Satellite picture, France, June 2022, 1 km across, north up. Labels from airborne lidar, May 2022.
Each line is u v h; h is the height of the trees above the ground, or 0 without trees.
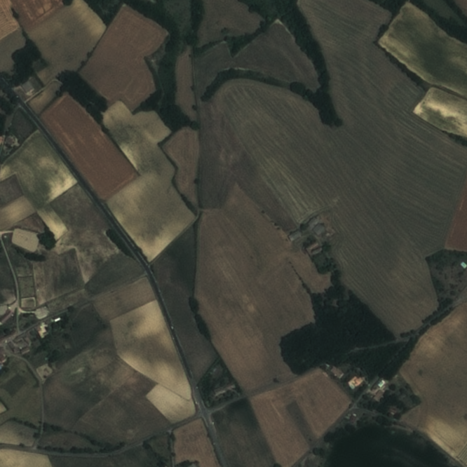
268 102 0
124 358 0
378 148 0
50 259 0
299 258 0
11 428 0
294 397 0
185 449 0
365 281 0
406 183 0
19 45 0
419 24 0
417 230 0
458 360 0
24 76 14
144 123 0
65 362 0
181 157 0
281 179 0
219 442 0
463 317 0
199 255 0
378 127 0
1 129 11
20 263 0
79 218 0
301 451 0
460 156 0
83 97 19
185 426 0
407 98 0
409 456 0
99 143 0
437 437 0
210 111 0
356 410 0
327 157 0
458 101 0
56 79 0
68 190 0
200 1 14
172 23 12
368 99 0
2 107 13
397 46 0
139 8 11
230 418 0
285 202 0
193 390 0
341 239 0
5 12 0
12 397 0
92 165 0
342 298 12
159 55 0
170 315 0
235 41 13
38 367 0
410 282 0
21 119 0
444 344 0
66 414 0
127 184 0
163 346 0
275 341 0
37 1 0
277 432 0
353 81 0
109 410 0
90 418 0
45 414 0
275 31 0
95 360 0
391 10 11
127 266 0
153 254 0
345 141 0
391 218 0
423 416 0
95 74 0
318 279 0
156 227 0
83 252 0
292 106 0
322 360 16
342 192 0
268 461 0
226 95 0
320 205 0
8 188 0
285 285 0
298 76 0
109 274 0
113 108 0
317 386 0
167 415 0
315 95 16
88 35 0
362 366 9
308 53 15
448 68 0
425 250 0
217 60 0
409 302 0
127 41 0
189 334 0
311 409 0
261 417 0
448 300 8
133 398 0
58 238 0
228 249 0
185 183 0
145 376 0
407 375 0
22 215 0
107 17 6
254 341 0
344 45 0
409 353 11
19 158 0
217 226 0
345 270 0
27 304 0
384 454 0
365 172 0
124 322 0
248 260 0
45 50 0
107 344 0
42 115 0
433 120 0
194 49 8
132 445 0
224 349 0
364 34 0
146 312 0
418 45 0
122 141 0
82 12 0
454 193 0
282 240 0
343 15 0
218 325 0
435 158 0
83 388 0
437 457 0
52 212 0
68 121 0
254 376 0
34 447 0
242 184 0
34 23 0
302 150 0
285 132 0
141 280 0
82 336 0
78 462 0
